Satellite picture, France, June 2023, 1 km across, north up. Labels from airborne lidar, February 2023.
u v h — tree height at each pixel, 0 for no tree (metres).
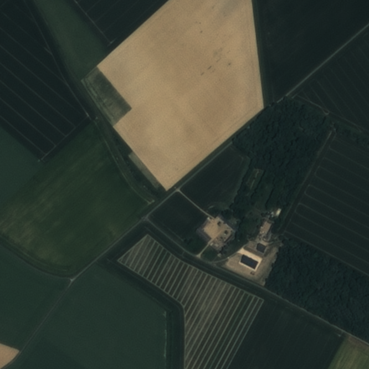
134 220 0
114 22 0
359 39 0
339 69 0
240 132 0
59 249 0
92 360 0
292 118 17
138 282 0
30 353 0
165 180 0
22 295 0
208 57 0
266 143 12
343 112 0
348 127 0
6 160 0
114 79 0
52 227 0
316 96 0
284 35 0
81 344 0
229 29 0
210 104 0
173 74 0
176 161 0
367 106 0
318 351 0
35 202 0
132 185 0
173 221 0
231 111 0
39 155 0
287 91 0
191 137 0
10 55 0
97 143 0
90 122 0
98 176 0
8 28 0
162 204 0
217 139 0
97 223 0
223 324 0
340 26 0
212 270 0
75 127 0
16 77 0
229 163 0
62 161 0
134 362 0
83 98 0
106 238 0
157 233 0
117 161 0
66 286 0
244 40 0
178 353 0
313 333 0
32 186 0
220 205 0
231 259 0
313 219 0
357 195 0
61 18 0
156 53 0
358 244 0
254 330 0
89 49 0
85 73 0
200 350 0
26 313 0
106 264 0
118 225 0
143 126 0
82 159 0
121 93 0
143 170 0
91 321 0
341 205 0
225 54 0
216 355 0
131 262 0
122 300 0
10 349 0
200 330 0
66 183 0
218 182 0
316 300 23
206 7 0
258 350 0
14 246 0
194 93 0
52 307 0
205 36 0
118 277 0
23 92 0
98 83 0
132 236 0
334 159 0
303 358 0
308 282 23
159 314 0
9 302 0
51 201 0
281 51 0
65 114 0
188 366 0
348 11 0
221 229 0
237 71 0
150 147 0
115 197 0
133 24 0
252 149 11
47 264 0
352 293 20
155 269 0
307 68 0
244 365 0
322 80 0
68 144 0
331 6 0
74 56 0
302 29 0
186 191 0
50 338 0
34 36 0
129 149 0
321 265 23
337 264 19
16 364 0
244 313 0
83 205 0
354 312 23
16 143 0
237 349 0
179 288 0
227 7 0
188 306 0
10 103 0
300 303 17
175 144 0
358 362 0
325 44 0
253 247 0
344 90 0
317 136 15
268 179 15
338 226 0
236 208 13
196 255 0
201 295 0
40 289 0
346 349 0
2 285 0
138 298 0
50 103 0
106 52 0
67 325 0
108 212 0
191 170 0
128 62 0
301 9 0
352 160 0
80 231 0
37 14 0
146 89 0
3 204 0
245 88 0
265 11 0
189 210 0
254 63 0
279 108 22
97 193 0
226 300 0
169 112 0
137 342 0
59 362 0
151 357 0
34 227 0
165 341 0
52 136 0
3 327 0
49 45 0
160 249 0
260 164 20
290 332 0
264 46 0
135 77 0
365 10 0
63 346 0
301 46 0
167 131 0
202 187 0
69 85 0
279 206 11
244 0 0
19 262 0
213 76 0
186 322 0
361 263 0
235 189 0
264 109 0
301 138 26
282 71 0
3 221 0
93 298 0
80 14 0
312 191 0
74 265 0
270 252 0
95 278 0
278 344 0
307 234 0
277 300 0
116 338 0
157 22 0
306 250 22
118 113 0
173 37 0
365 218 0
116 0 0
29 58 0
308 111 24
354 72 0
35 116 0
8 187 0
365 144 8
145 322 0
